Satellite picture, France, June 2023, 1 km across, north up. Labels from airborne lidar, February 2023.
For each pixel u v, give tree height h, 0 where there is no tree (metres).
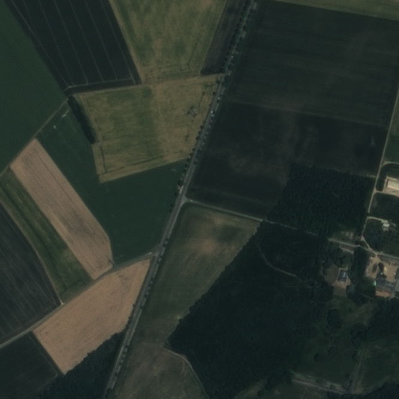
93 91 0
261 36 0
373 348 0
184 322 16
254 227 0
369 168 0
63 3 0
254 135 0
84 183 0
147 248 0
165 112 0
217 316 7
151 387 0
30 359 0
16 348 0
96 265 0
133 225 0
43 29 0
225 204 0
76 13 0
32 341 0
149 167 0
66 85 0
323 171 14
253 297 8
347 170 0
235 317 6
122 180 0
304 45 0
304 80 0
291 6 0
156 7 0
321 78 0
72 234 0
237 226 0
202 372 11
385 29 0
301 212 16
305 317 10
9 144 0
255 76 0
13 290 0
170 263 0
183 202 0
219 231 0
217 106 0
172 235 0
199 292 0
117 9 0
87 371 21
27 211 0
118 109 0
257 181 0
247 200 0
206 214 0
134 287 0
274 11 0
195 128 0
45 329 0
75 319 0
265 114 0
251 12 11
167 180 0
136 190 0
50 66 0
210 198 0
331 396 18
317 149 0
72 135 0
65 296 0
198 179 0
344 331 0
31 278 0
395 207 0
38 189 0
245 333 14
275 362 24
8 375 0
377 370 0
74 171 0
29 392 0
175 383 0
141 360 0
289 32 0
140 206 0
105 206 0
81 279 0
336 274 0
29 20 0
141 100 0
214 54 0
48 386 0
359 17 0
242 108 0
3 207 0
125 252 0
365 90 0
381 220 0
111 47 0
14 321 0
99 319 0
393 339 0
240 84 0
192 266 0
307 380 0
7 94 0
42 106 0
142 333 0
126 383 0
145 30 0
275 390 0
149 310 0
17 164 0
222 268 0
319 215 19
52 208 0
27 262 0
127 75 0
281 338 18
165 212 0
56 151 0
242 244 0
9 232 0
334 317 25
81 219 0
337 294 0
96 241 0
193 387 0
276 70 0
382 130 0
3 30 0
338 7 0
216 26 0
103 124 0
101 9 0
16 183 0
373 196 0
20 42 0
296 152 0
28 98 0
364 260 15
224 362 21
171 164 0
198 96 0
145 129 0
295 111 0
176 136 0
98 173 0
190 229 0
